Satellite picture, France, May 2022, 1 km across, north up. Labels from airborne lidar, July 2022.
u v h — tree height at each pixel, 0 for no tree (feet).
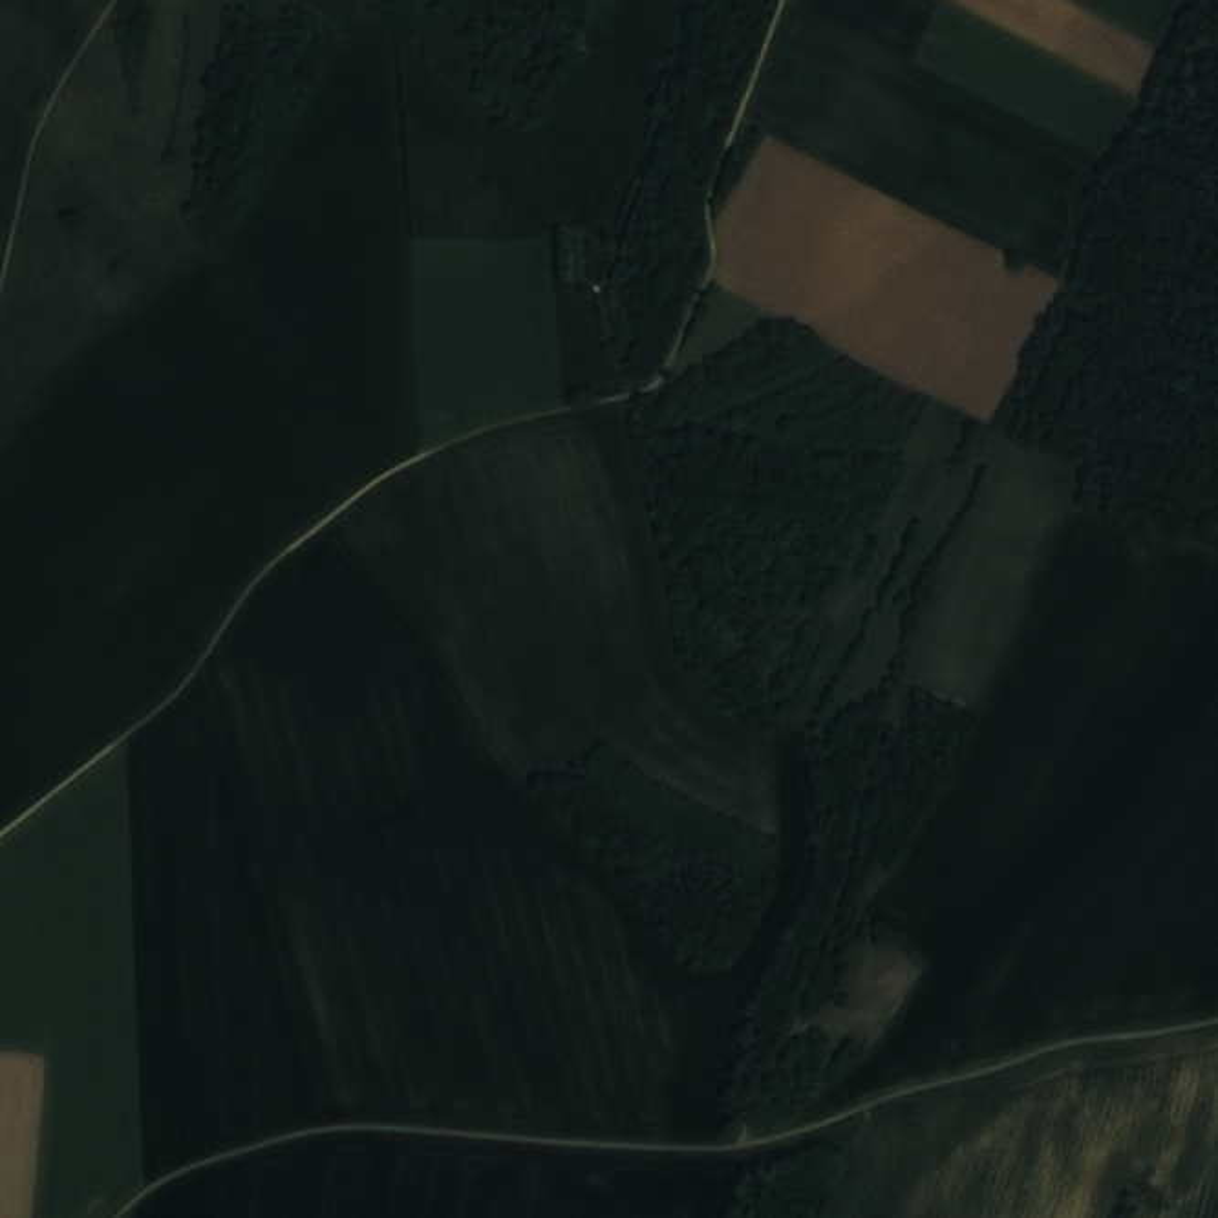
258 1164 0
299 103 57
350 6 0
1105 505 62
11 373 0
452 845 0
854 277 0
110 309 0
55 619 0
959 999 0
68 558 0
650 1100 0
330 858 0
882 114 0
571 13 52
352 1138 0
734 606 18
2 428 0
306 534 0
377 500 0
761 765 0
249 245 0
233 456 0
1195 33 56
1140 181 60
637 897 40
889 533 0
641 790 52
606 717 0
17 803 0
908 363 0
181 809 0
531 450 0
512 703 0
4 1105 0
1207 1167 0
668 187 56
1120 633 0
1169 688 0
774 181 0
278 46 28
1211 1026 0
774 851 35
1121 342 52
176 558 0
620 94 0
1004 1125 0
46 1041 0
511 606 0
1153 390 81
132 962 0
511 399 0
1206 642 0
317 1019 0
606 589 0
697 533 57
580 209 0
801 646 32
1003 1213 0
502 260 0
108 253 0
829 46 0
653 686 0
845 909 36
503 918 0
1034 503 0
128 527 0
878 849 45
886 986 0
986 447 0
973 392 0
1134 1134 0
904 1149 0
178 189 0
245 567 0
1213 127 62
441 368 0
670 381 38
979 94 0
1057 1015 0
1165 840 0
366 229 0
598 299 19
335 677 0
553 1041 0
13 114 0
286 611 0
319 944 0
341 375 0
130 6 20
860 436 26
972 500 22
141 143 0
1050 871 0
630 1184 0
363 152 0
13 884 0
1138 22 0
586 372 0
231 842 0
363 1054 0
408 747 0
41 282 0
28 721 0
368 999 0
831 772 43
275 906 0
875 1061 0
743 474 59
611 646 0
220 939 0
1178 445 77
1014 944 0
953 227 0
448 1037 0
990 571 0
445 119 0
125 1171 0
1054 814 0
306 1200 0
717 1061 0
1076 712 0
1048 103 0
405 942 0
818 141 0
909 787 44
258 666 0
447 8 22
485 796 0
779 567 41
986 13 0
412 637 0
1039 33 0
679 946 49
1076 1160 0
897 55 0
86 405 0
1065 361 60
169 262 0
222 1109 0
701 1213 0
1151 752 0
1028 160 0
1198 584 0
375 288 0
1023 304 0
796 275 0
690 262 37
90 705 0
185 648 0
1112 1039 0
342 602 0
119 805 0
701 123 65
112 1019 0
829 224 0
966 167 0
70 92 0
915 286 0
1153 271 65
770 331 66
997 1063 0
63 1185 0
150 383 0
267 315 0
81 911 0
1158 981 0
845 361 24
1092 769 0
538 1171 0
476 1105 0
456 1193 0
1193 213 62
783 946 49
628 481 0
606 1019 0
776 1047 43
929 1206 0
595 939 0
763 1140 0
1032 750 0
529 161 0
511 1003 0
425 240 0
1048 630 0
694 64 71
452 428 0
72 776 0
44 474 0
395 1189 0
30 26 0
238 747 0
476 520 0
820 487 63
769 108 0
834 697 32
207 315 0
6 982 0
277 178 0
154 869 0
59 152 0
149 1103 0
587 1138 0
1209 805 0
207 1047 0
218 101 47
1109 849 0
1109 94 0
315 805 0
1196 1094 0
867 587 0
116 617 0
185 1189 0
